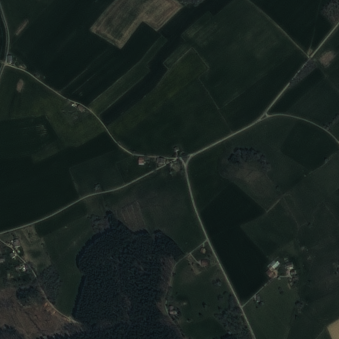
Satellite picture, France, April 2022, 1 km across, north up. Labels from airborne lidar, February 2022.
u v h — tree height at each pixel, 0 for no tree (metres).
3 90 0
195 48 0
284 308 0
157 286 26
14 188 0
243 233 0
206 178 0
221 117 0
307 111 0
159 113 0
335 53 0
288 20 0
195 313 0
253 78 0
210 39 0
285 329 0
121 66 0
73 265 0
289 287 0
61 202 0
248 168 0
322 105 0
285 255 0
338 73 0
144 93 0
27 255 0
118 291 29
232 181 0
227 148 0
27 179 0
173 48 0
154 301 27
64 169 0
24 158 0
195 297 0
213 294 0
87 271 27
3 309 27
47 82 0
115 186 0
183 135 0
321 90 0
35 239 0
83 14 0
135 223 0
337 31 0
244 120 0
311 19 0
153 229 0
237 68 0
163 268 30
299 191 0
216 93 0
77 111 0
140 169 0
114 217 24
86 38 0
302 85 0
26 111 0
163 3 0
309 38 0
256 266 0
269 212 0
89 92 0
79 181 0
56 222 0
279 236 0
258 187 0
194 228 0
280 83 0
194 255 0
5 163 0
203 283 0
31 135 0
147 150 0
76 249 0
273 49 0
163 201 0
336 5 19
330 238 0
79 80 0
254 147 0
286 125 0
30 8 0
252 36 0
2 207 0
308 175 0
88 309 28
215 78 0
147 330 29
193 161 0
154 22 0
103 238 25
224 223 0
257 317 0
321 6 0
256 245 0
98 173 0
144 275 22
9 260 0
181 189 0
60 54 0
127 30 0
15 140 0
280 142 0
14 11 0
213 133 0
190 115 0
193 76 0
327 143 0
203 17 0
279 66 0
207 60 0
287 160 0
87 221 0
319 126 0
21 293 20
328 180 0
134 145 0
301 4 0
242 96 0
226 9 0
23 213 0
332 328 0
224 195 0
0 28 0
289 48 0
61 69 0
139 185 0
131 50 0
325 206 0
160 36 0
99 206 0
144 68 0
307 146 0
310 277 0
